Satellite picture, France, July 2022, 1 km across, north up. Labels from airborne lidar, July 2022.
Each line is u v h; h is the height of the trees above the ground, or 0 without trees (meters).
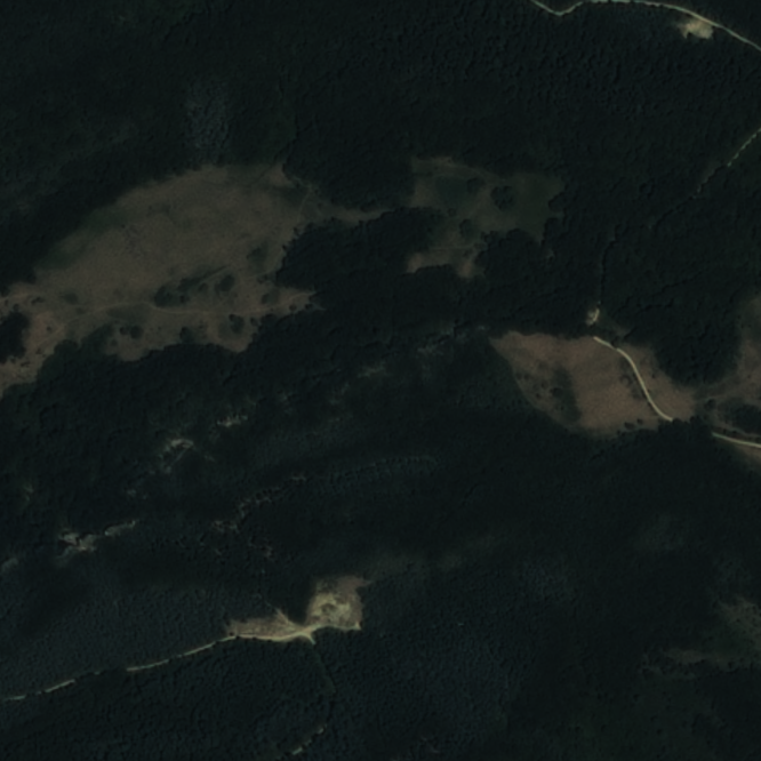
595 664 22
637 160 17
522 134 15
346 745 15
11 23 15
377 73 15
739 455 0
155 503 10
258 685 18
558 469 17
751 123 17
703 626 13
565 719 12
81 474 17
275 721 26
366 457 10
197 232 0
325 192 8
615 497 13
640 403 0
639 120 13
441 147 14
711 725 14
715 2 17
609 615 13
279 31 17
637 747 7
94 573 13
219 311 0
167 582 9
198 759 21
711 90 17
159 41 18
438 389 11
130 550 16
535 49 17
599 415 0
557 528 17
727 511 19
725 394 0
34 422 11
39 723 16
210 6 12
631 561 8
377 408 8
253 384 16
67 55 14
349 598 0
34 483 6
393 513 17
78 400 13
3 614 19
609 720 8
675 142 19
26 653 13
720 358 12
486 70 17
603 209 23
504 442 11
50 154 14
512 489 17
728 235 22
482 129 12
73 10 14
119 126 11
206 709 18
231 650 20
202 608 14
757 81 15
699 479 16
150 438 7
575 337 8
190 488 16
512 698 10
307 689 18
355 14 23
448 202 0
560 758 16
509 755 11
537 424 18
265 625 0
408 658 16
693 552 9
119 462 14
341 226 10
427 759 20
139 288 0
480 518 11
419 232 16
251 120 20
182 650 16
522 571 13
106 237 0
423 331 7
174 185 0
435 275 16
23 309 0
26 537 18
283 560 16
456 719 15
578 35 17
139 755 17
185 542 22
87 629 15
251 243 0
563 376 0
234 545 15
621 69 17
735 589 14
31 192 11
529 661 19
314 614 0
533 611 18
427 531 15
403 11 17
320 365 15
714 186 14
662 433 12
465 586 13
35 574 12
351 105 18
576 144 12
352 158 19
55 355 8
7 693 13
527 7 16
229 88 10
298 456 11
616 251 21
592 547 17
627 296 9
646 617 13
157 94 10
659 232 20
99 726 14
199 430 8
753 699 16
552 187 0
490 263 13
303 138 18
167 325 0
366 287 15
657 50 13
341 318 16
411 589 10
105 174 20
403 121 17
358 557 9
